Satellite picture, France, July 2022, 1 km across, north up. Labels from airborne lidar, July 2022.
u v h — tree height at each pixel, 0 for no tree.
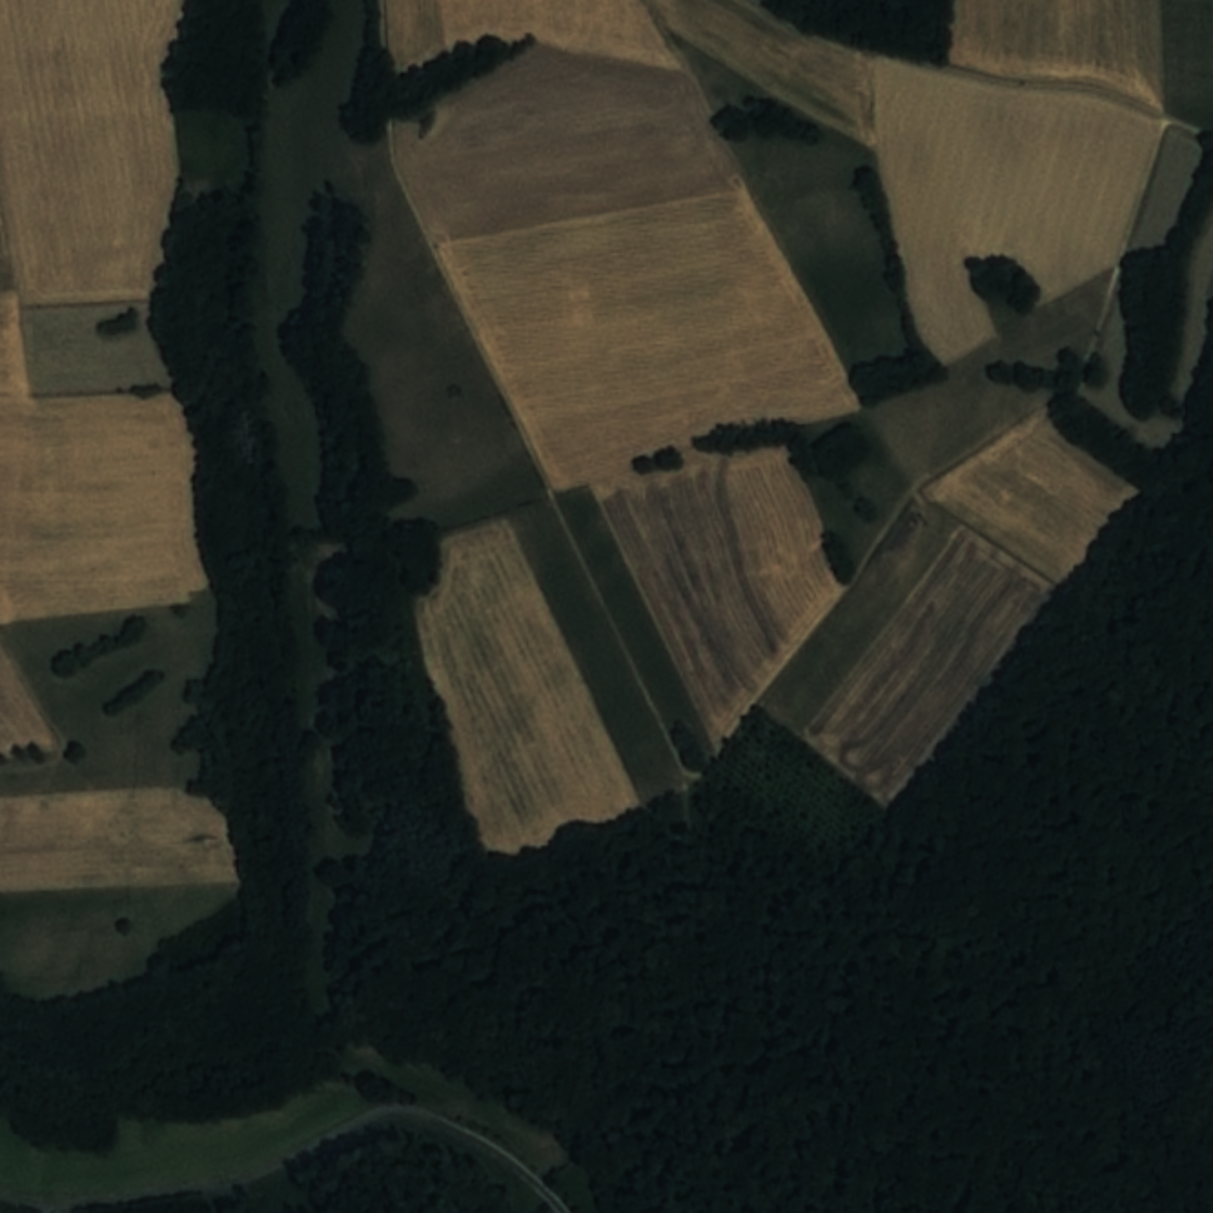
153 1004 22
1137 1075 25
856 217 0
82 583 0
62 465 0
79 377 0
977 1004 25
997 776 27
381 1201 15
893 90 0
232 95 22
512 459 0
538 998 24
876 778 0
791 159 0
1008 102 0
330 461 13
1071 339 0
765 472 0
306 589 0
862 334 0
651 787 0
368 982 25
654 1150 23
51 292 0
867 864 16
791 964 22
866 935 14
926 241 0
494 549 0
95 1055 20
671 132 0
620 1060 19
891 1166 27
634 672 0
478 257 0
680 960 20
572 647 0
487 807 0
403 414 0
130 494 0
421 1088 0
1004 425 0
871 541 0
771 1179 22
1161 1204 22
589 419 0
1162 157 0
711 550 0
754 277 0
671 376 0
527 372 0
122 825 0
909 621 0
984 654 0
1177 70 0
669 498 0
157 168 0
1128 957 23
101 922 0
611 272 0
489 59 14
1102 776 25
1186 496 21
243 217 6
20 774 0
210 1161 0
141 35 0
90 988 0
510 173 0
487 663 0
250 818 19
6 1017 17
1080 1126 23
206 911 0
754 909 22
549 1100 20
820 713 0
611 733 0
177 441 0
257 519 20
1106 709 28
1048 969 27
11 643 0
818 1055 22
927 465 0
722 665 0
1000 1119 20
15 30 0
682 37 0
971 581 0
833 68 0
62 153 0
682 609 0
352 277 20
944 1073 26
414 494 13
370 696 24
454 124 0
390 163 0
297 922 29
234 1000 23
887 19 25
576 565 0
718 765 13
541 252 0
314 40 24
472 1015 18
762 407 0
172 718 0
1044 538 0
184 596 0
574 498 0
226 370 29
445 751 20
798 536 0
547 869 20
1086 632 20
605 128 0
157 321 14
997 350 0
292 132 0
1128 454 21
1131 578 23
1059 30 0
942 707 0
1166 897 19
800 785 7
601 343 0
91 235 0
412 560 18
